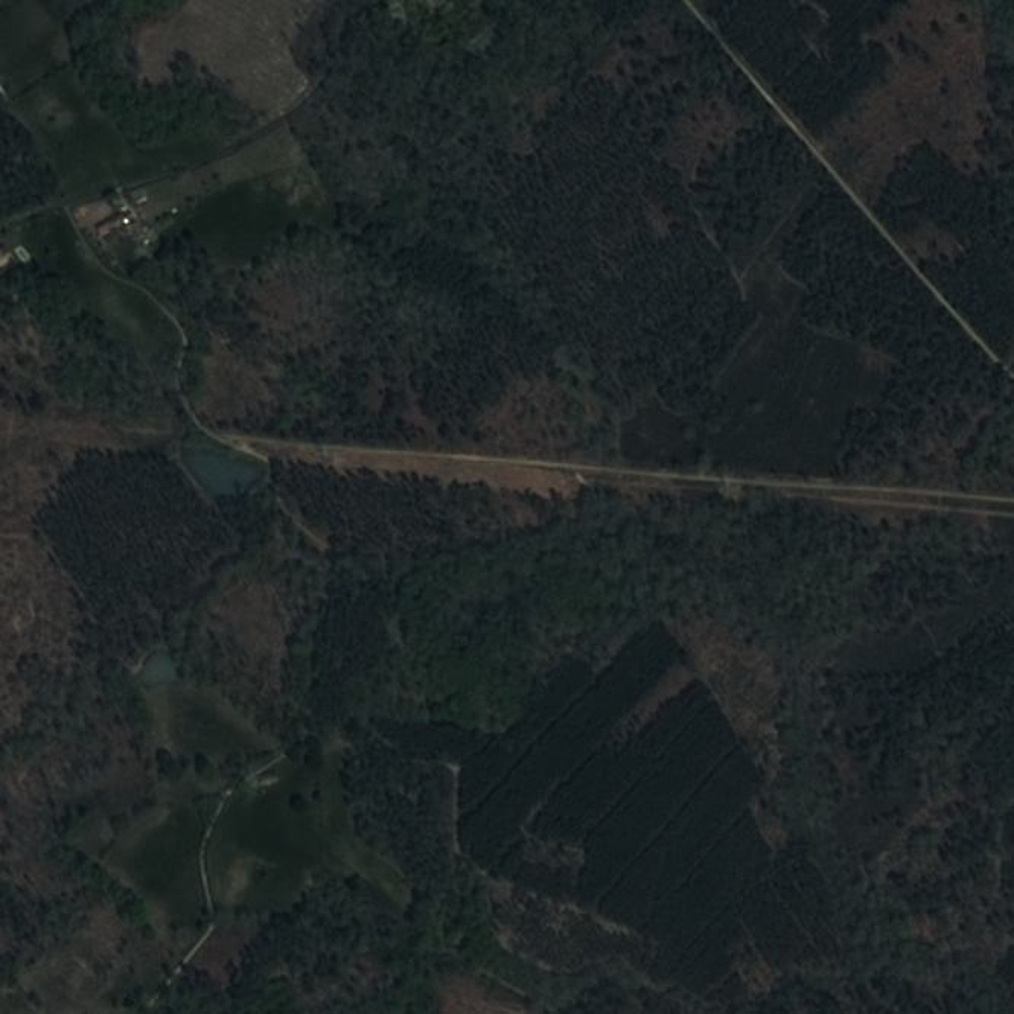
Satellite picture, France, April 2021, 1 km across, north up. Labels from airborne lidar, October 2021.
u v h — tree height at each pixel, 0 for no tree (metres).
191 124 21
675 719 15
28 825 17
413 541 20
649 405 7
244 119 12
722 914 15
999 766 21
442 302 18
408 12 12
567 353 30
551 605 21
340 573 29
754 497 19
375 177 17
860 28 9
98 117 0
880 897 20
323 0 0
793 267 10
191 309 24
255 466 0
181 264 23
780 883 15
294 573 16
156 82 0
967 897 10
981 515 0
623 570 21
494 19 22
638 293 17
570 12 13
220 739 0
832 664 8
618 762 14
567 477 0
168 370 19
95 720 20
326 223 0
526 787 12
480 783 13
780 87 17
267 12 0
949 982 14
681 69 17
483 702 20
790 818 13
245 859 0
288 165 0
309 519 21
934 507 0
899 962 17
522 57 16
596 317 19
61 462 13
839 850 12
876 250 16
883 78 15
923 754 13
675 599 26
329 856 0
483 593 25
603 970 13
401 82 10
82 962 0
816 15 15
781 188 14
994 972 9
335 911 9
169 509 19
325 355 6
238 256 0
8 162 24
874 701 13
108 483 20
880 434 15
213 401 0
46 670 22
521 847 6
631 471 0
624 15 10
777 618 15
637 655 16
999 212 23
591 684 15
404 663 24
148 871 0
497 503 20
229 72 0
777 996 9
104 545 19
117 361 28
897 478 9
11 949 0
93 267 0
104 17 20
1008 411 13
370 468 0
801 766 18
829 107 17
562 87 10
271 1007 20
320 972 12
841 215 15
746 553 14
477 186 19
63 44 0
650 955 15
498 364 20
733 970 16
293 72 0
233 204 0
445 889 26
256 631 0
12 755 22
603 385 23
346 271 11
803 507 13
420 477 0
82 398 18
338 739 15
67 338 10
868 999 24
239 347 12
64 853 15
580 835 16
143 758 20
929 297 13
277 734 14
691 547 17
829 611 17
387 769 26
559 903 14
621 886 15
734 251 16
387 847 17
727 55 13
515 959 11
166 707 0
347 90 10
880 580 10
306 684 17
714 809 15
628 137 17
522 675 20
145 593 19
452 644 18
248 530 23
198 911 0
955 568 18
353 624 20
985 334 17
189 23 0
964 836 19
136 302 0
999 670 19
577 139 18
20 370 14
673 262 18
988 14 17
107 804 0
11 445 0
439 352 9
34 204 21
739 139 7
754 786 15
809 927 15
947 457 11
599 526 19
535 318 18
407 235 13
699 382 19
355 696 15
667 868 12
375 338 23
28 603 8
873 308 16
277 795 0
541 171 18
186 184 0
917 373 16
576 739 14
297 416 11
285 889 0
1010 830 6
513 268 20
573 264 18
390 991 14
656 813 15
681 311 20
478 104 18
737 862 15
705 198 20
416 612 23
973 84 7
